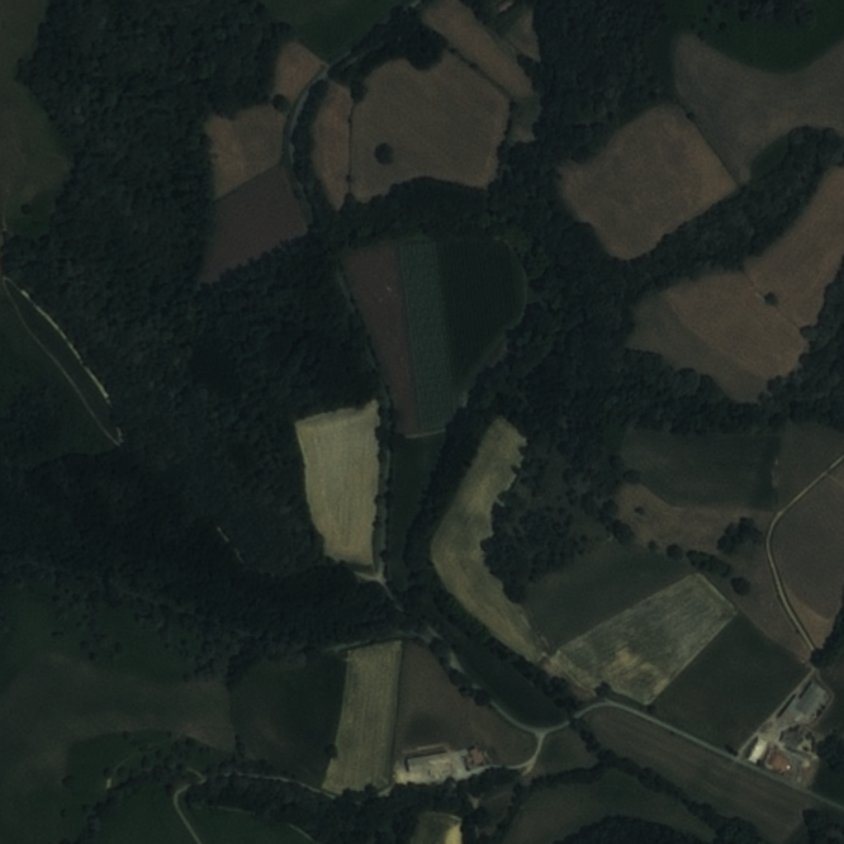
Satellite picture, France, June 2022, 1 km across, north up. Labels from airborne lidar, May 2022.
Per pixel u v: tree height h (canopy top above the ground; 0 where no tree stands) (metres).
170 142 27
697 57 0
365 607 18
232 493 16
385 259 0
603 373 29
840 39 0
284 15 0
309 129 17
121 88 13
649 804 0
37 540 17
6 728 0
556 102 22
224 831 0
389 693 0
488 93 0
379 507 10
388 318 0
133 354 19
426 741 0
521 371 25
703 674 0
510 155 17
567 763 0
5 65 0
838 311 21
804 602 0
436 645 16
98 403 0
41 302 15
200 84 20
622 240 0
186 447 19
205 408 17
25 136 0
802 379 12
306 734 0
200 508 18
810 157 19
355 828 26
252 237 0
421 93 0
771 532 0
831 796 0
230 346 22
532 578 13
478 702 11
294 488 17
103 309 8
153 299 7
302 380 9
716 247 18
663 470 0
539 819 0
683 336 0
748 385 0
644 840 23
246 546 17
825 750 16
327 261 21
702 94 0
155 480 13
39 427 21
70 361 0
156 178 31
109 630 0
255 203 0
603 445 12
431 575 19
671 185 0
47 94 26
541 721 0
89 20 29
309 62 0
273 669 0
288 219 0
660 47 0
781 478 0
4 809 0
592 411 11
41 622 0
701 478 0
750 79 0
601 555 0
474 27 0
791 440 0
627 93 16
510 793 0
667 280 14
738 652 0
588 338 32
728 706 0
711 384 18
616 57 13
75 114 26
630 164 0
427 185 19
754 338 0
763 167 0
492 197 16
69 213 24
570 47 17
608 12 10
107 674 0
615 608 0
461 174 0
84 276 26
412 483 0
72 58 20
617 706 0
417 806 21
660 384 17
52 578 16
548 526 21
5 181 0
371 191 0
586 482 15
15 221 0
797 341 0
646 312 0
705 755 0
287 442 10
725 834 28
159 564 20
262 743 0
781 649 0
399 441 20
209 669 14
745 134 0
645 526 0
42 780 0
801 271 0
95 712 0
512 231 14
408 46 14
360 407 23
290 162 0
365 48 16
